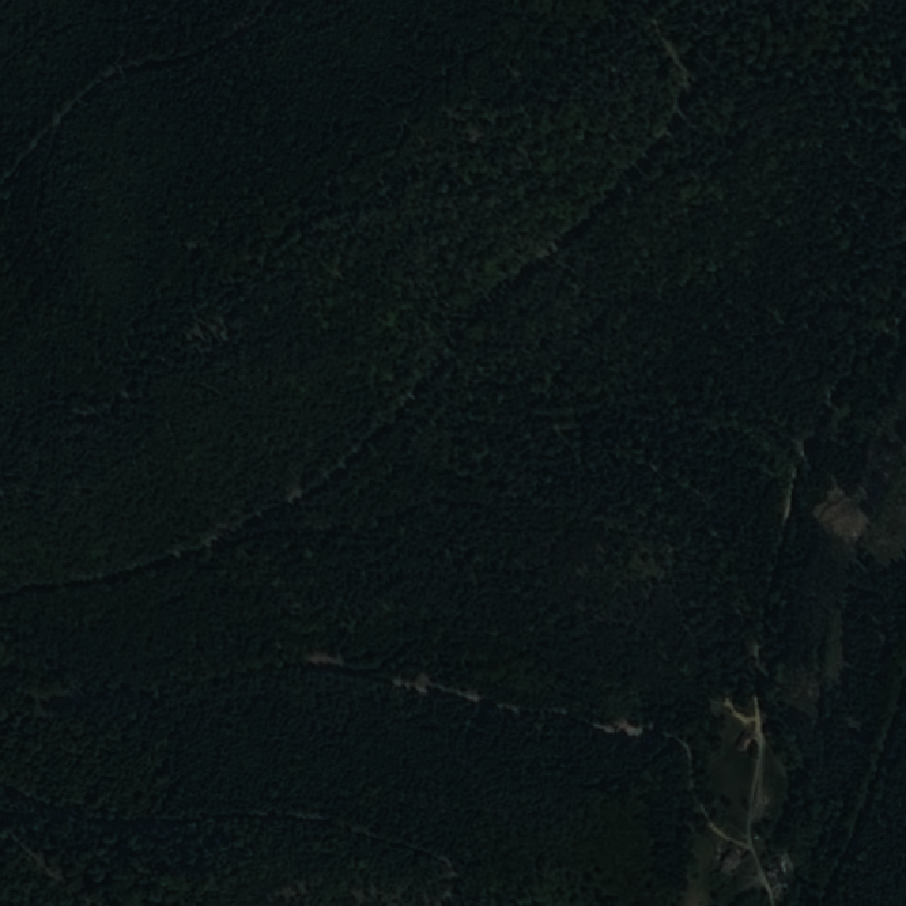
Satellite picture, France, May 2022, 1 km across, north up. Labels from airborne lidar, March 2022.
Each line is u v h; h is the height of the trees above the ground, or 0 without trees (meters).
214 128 20
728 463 22
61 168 11
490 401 29
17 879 10
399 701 15
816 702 0
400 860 12
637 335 24
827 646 18
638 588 10
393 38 17
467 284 28
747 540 27
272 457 12
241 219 15
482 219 22
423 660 17
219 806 14
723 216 21
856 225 34
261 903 14
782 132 28
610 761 21
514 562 14
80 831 36
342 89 16
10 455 17
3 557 10
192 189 18
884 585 23
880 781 14
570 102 22
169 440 13
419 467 14
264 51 16
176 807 17
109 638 25
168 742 18
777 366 30
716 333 29
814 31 32
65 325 13
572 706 17
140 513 16
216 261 13
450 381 29
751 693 23
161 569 24
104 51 17
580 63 16
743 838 0
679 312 23
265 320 25
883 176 10
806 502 23
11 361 12
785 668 35
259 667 18
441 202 29
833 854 29
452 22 22
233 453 11
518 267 7
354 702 22
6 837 19
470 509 25
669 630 12
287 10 11
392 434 14
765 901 11
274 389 14
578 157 25
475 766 17
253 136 22
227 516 12
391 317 14
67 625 18
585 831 16
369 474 18
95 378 13
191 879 30
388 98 17
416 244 28
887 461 33
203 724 19
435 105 13
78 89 18
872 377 21
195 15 23
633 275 18
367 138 13
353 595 30
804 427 26
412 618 15
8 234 11
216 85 23
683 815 27
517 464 33
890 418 31
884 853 15
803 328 26
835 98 34
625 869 11
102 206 9
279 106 19
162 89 20
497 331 34
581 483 27
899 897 14
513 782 17
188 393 10
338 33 13
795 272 34
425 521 24
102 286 9
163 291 17
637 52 28
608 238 23
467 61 19
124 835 32
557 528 13
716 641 6
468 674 14
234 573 25
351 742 15
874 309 25
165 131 15
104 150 7
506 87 13
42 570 12
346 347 19
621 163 13
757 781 0
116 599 16
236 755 14
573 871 11
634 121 29
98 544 14
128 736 21
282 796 11
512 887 15
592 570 7
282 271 13
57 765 17
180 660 21
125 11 28
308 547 22
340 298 20
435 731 19
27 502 13
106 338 12
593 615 11
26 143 17
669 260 26
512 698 17
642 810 27
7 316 19
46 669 19
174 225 18
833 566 36
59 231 13
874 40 26
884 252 32
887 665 23
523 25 15
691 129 15
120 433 22
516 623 29
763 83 36
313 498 18
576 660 12
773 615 32
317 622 14
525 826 12
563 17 20
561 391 31
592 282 24
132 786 11
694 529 24
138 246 14
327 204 22
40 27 10
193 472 10
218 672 21
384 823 13
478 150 17
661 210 22
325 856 9
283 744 13
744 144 30
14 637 27
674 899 13
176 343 14
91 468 20
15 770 7
